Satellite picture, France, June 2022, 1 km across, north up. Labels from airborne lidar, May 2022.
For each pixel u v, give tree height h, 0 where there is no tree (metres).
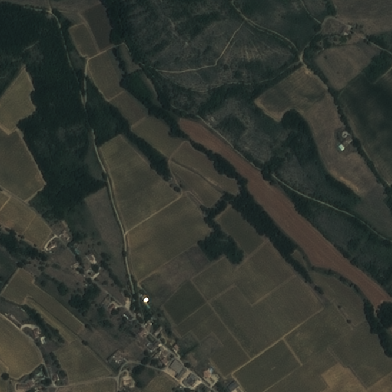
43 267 8
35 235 0
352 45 0
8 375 9
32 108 0
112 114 9
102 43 0
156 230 0
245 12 8
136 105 0
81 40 0
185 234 0
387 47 7
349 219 9
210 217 9
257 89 7
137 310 10
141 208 0
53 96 9
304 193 8
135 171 0
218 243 7
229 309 0
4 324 0
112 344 0
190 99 7
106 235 0
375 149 0
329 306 0
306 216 6
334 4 0
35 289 0
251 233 0
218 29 0
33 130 14
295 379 0
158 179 0
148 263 0
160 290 0
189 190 0
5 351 0
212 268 0
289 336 0
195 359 0
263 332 0
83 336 0
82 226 0
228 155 0
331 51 0
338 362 0
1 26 9
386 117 0
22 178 0
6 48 11
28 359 0
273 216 0
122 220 0
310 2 0
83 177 14
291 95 0
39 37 9
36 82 15
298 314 0
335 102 10
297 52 9
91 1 0
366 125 0
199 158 0
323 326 0
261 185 0
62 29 10
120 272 0
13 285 0
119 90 0
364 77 0
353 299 0
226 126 5
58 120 10
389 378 0
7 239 9
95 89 12
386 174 0
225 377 0
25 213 0
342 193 10
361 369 0
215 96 12
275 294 0
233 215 0
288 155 13
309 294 0
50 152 10
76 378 0
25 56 10
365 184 0
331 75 0
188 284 0
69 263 0
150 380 0
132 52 9
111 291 0
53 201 11
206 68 0
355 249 7
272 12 0
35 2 0
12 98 0
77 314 0
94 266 9
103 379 0
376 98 0
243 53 0
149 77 14
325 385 0
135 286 6
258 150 0
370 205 0
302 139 6
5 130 0
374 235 8
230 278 0
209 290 0
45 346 0
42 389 7
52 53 9
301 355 0
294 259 12
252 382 0
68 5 0
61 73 9
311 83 0
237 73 10
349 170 0
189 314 0
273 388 0
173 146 0
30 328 0
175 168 0
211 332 0
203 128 0
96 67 0
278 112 0
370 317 17
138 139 12
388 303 14
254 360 0
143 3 7
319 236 0
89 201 0
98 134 8
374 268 9
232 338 0
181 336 0
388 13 0
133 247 0
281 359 0
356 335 0
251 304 0
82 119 11
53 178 12
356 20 0
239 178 20
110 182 0
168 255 0
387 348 11
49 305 0
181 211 0
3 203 0
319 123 0
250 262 0
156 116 16
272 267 0
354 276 0
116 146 0
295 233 0
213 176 0
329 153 0
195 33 6
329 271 10
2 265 0
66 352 0
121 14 15
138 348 0
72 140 11
